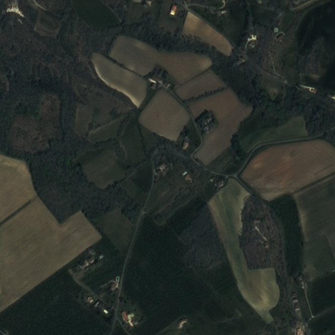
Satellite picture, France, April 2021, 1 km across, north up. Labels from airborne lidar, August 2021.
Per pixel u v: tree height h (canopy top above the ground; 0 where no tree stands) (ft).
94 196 55
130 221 57
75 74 34
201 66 0
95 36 56
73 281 0
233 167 0
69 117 67
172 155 38
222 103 0
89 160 0
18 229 0
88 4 0
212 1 0
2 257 0
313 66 31
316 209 0
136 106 37
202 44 32
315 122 59
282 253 40
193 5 46
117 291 18
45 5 20
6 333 0
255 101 45
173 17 0
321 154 0
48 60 41
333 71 0
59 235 0
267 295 0
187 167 34
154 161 43
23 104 68
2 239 0
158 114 0
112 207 71
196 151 0
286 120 55
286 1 0
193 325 0
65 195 50
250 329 0
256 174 0
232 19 0
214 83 0
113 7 46
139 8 0
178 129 0
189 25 0
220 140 0
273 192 0
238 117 0
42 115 33
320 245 0
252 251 42
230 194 0
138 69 0
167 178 0
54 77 24
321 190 0
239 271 0
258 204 36
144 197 0
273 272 0
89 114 0
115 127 0
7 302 0
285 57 24
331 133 51
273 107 87
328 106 23
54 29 0
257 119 0
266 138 0
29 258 0
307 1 33
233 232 0
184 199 51
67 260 0
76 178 76
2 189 0
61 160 91
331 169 0
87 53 38
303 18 0
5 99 68
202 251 65
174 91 0
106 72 0
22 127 61
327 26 0
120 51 0
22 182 0
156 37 46
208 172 31
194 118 0
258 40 38
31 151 47
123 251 0
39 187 51
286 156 0
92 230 0
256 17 0
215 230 67
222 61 27
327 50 0
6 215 0
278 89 0
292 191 0
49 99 26
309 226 0
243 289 0
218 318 0
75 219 0
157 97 0
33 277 0
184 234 38
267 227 32
